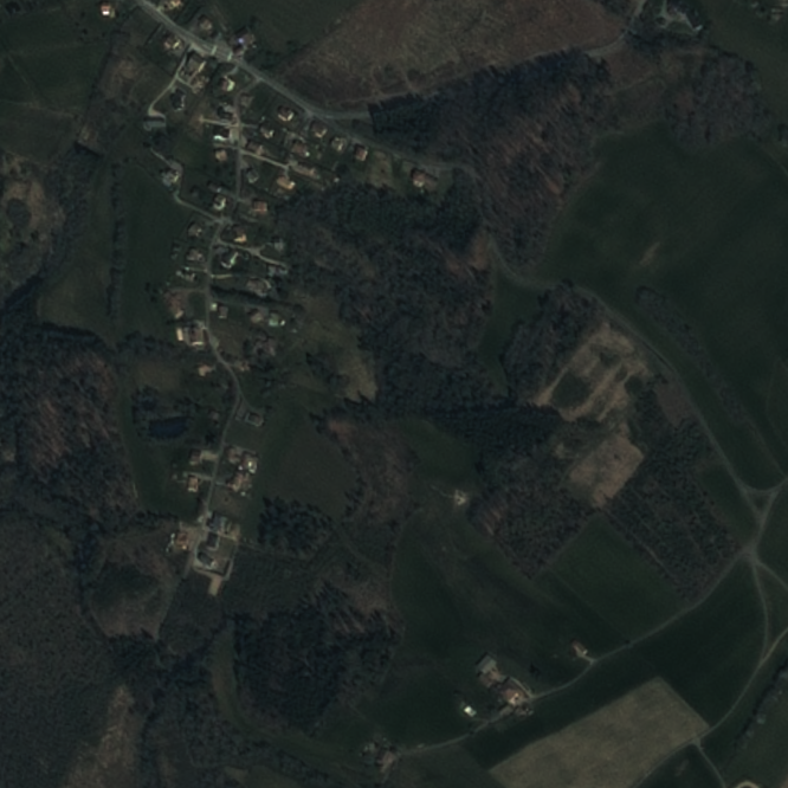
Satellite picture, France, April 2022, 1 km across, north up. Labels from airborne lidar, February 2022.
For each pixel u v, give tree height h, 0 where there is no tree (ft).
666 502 24
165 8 0
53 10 0
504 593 0
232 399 46
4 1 0
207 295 0
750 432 0
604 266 0
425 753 0
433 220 49
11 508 19
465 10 0
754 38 0
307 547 52
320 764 0
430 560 0
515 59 0
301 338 0
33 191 0
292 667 30
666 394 0
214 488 0
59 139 0
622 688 0
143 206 0
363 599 0
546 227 36
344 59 0
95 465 66
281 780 0
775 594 0
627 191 0
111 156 0
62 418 75
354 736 0
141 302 0
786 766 0
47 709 20
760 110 62
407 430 0
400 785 0
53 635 26
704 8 0
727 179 0
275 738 0
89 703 28
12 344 50
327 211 38
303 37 0
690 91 0
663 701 0
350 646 48
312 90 0
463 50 0
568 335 54
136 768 0
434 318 61
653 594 0
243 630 73
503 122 75
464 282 75
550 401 0
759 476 0
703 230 0
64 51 0
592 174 53
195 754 24
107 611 0
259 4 0
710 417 0
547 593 0
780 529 0
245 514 0
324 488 0
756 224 0
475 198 74
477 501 0
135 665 39
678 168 0
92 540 40
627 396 0
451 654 0
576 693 0
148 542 0
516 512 79
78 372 90
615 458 0
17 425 60
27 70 0
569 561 0
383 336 58
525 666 0
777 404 0
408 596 0
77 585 22
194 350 23
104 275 0
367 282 23
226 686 0
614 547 0
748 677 0
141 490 0
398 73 0
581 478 0
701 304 0
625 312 0
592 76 81
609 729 0
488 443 89
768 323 0
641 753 0
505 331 0
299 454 0
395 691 0
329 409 0
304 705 48
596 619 0
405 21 0
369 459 0
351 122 0
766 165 0
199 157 0
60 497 54
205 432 0
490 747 0
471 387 35
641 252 0
